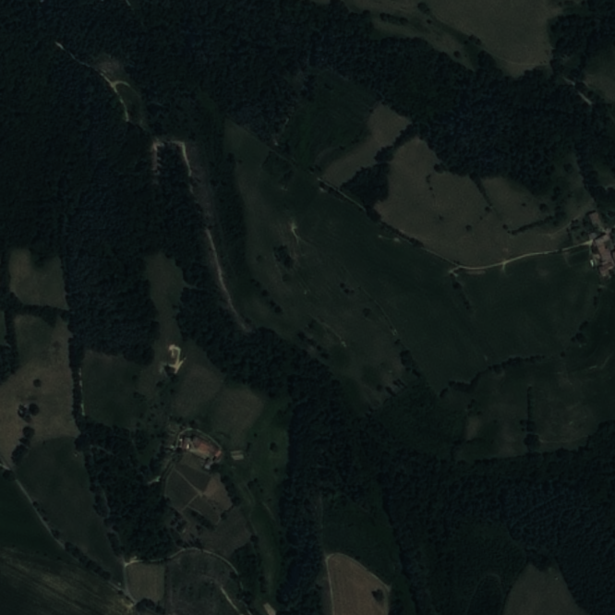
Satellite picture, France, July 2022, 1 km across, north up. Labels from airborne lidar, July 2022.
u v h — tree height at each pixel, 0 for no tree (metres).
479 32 0
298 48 26
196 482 0
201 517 7
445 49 0
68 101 18
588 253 0
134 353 17
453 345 0
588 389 0
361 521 0
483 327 0
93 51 33
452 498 13
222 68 27
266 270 0
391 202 0
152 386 0
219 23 34
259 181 0
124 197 26
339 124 0
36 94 21
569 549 17
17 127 24
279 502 0
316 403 22
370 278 0
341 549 0
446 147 21
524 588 0
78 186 25
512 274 0
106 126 28
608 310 0
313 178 0
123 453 23
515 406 0
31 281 0
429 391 6
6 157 25
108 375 0
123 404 0
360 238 0
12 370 9
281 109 18
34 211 16
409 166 0
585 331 10
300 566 23
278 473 8
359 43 21
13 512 0
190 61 15
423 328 0
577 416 0
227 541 0
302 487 23
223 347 25
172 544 19
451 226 0
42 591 0
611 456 9
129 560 0
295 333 0
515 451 0
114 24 22
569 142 10
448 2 0
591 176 22
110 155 27
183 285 0
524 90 28
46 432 0
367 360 0
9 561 0
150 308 19
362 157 0
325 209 0
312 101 18
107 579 13
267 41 35
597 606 12
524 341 0
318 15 9
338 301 0
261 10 25
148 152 27
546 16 0
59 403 0
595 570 18
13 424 0
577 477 13
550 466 14
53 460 0
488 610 7
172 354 0
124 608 0
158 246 23
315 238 0
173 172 26
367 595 0
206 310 26
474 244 0
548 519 24
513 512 25
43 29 19
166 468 0
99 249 22
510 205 0
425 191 0
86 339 24
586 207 0
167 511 19
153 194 30
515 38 0
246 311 0
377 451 20
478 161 23
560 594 0
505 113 30
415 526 25
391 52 19
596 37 29
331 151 0
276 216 0
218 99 13
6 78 28
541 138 8
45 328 0
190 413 0
